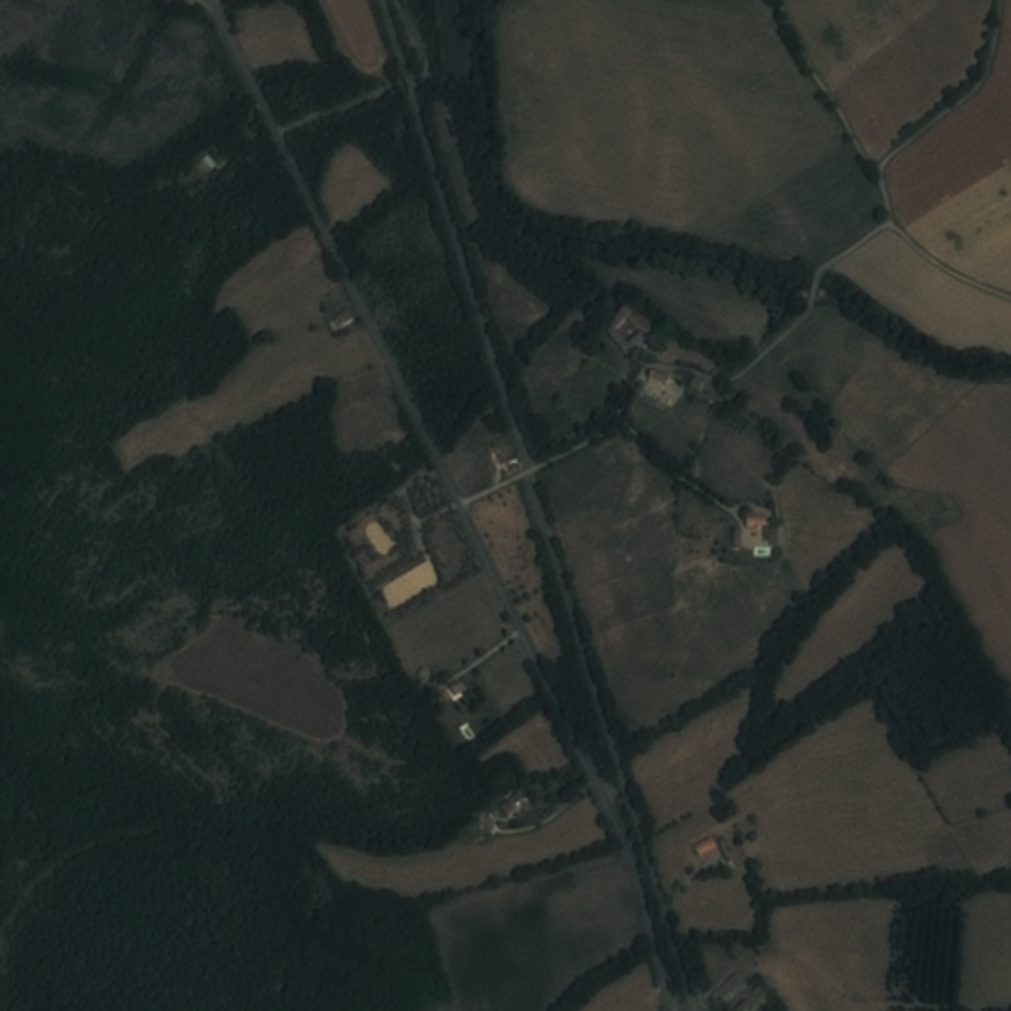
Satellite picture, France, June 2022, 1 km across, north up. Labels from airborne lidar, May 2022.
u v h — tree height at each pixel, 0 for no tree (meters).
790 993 0
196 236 8
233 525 6
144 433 0
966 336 0
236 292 0
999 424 0
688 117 0
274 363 0
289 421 13
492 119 14
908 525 10
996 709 21
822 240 0
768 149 0
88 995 9
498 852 0
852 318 25
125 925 10
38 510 6
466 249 13
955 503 0
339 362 0
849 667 21
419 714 15
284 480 15
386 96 11
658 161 0
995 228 0
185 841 12
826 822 0
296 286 0
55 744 6
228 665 0
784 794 0
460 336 7
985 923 0
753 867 20
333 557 14
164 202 8
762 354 0
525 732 0
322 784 9
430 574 0
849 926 0
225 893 8
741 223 0
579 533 0
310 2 14
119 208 7
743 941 12
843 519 0
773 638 14
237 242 7
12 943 7
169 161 8
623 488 0
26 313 9
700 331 0
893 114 0
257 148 10
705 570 0
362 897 13
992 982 0
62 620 9
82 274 8
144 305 7
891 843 0
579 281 20
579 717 20
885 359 0
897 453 0
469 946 0
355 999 13
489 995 0
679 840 0
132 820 13
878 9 0
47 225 5
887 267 0
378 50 0
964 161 0
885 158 0
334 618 8
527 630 0
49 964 15
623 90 0
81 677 8
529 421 11
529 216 15
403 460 9
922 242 0
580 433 17
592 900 0
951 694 33
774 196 0
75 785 14
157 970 6
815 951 0
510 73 0
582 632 13
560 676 12
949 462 0
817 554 0
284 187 12
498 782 7
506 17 0
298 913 14
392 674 10
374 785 7
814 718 17
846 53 0
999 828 0
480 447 0
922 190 0
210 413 0
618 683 0
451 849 0
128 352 7
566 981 0
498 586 0
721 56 0
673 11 0
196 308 8
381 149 13
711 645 0
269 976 15
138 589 6
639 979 0
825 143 0
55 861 6
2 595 6
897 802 0
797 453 14
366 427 0
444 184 14
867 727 0
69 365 6
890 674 29
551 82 0
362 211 9
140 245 7
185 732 9
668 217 0
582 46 0
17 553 7
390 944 13
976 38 0
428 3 17
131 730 6
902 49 0
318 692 0
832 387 0
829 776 0
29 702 8
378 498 10
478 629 0
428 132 13
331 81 12
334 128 11
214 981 10
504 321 0
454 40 0
